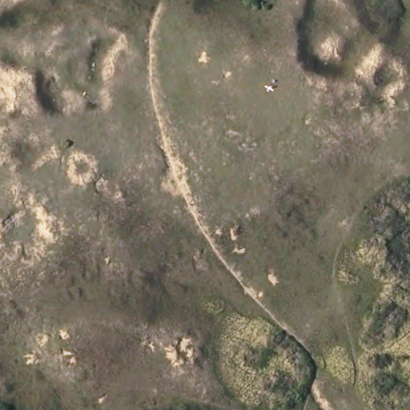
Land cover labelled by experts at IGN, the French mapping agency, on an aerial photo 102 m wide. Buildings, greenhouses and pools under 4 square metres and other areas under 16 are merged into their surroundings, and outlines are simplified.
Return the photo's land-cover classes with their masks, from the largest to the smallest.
<instances>
[{"label":"herbaceous vegetation","instance_id":"1","mask_svg":"<svg viewBox=\"0 0 410 410\"><path fill-rule=\"evenodd\" d=\"M159 2L165 5V10L155 32V56L160 80L157 96L159 101L163 102L160 111L168 127L167 136L171 139L173 157H178L186 165L187 184L191 189L192 199L195 200L200 215L207 218L205 224L210 229L211 237L218 243L227 261L234 264L237 271L242 272L251 287L256 291H263L264 301L280 319L290 325L287 332L267 316L255 303V299L240 287L234 275L219 263L207 240L195 226L194 218L187 211L183 197L171 195L162 187L170 165L162 149L159 125L152 109L151 94L147 90V35ZM195 0H0V62L5 69L21 70L32 75L35 99L42 107L34 117H30L18 109L8 112L5 104L0 102V410H410V0H277L272 10H259L253 5L247 10L242 5H237L229 16L223 19L211 10L208 14L195 13ZM54 26H62V32L59 34L61 40L50 56H46L45 53L21 56L22 42H43L46 34ZM111 27L122 30L123 34L127 35L128 43L138 50L139 54L135 61L125 66V80L122 85L112 86L111 107L102 109L99 98L102 59L117 42L109 34ZM332 35L340 38V58L320 59L316 48ZM376 45L383 46V50L391 54L405 69L404 90L394 94V107H389L383 98L384 88L396 82L397 74L394 70L378 66L370 78H362L356 74L357 66ZM67 90L80 94L85 102L82 107H78L77 111L70 114L62 111V93ZM53 146L58 147V159L46 162L38 170L32 167L35 160ZM70 152H85L98 163V171L85 186L72 183L67 176ZM29 194H34L37 202L46 197L48 202L43 207L46 215L61 218L67 229L64 240L50 243L45 248V256L34 267L22 264V258L30 259L34 251V232L37 231V216L30 211ZM160 328H165L167 333H173L175 330L184 332L187 338H191L187 346L192 349L194 356L187 357L181 364L184 373L178 378H171L173 365L165 352H155L147 346H141L143 336H146L149 343L152 336L159 338ZM336 346L344 348L352 365V372L349 373L346 383H341L327 368V357Z\"/></svg>","mask_w":410,"mask_h":410},{"label":"bare soil","instance_id":"2","mask_svg":"<svg viewBox=\"0 0 410 410\"><path fill-rule=\"evenodd\" d=\"M62 32V26H54L46 34L43 42H22L21 56L45 53L46 56H50L61 40L59 34ZM109 34L117 42L102 59L99 98L102 109L111 107L112 86L122 85L125 80V66L135 61L139 54L138 50L128 43L127 35L123 34L122 30L111 27ZM340 38L332 35L316 48L320 59L340 58ZM378 66L394 70L397 74L396 82L384 88L383 98L389 107H394V94L404 90L405 69L391 54L383 50V46L376 45L357 66L356 74L362 78H370ZM0 102L5 104L8 112L18 109L30 117H34L42 107L35 99L32 75L21 70L5 69L0 62ZM62 111L70 114L77 111L78 107H82L85 102L80 94L67 90L62 93ZM58 147L53 146L35 160L32 167L38 170L46 162L58 159ZM67 176L72 183L85 186L98 171V163L85 152H70ZM48 202L46 197L37 202L34 194H29L30 211L37 216V231L34 232V251L30 259L22 258V264L34 267L45 256V248L50 243L64 240L67 229L61 218L46 215L43 207ZM191 338H187L184 332L175 330L173 333H167L165 328H160L159 338L152 336L149 343L146 336H143L141 346H147L155 352H165L173 365L171 378H178L184 373L181 364L187 357L194 356L192 349L187 346ZM327 368L341 383H346L349 373L352 372V365L344 348L336 346L327 357Z\"/></svg>","mask_w":410,"mask_h":410},{"label":"pervious surface","instance_id":"3","mask_svg":"<svg viewBox=\"0 0 410 410\"><path fill-rule=\"evenodd\" d=\"M165 10V5L159 2L147 35V90L151 94L152 109L159 125L162 149L170 165L162 187L171 195L183 197L187 211L194 218L195 226L207 240L219 263L234 275L240 287L255 299V303L267 316L287 332L290 325L280 319L264 301L263 291H256L251 287L242 272L237 271L234 264L227 261L218 243L211 237L210 229L205 224L207 218L200 215L195 200L192 199L191 189L187 184L186 165L178 157H173L171 139L167 136L168 127L160 111L163 102L159 101L157 96L160 80L155 56V32Z\"/></svg>","mask_w":410,"mask_h":410},{"label":"brushwood","instance_id":"4","mask_svg":"<svg viewBox=\"0 0 410 410\"><path fill-rule=\"evenodd\" d=\"M277 0H195V13L208 14L211 10L223 19L229 16L237 5H242L247 10L253 5L259 10H272Z\"/></svg>","mask_w":410,"mask_h":410}]
</instances>
